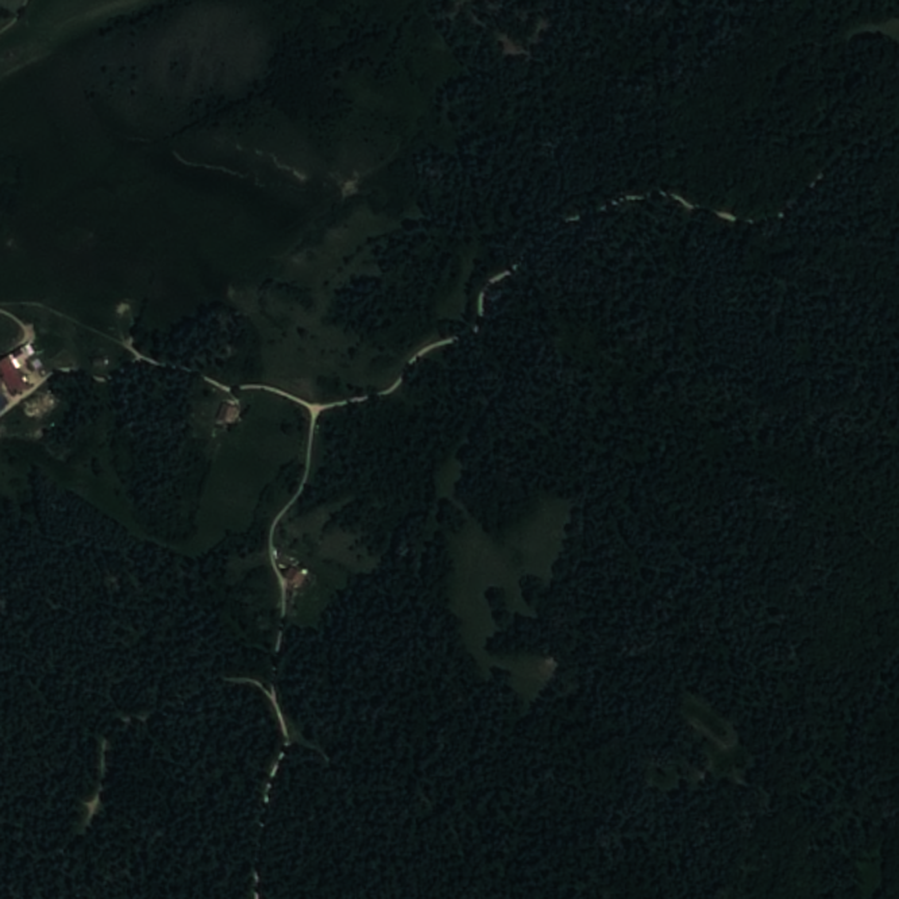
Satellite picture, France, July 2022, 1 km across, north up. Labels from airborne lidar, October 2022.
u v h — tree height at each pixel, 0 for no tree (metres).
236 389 14
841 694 30
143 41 0
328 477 21
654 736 19
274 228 0
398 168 7
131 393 23
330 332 0
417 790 19
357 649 28
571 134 24
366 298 21
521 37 18
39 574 14
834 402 23
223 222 0
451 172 14
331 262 0
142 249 0
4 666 22
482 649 0
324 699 23
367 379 0
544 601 20
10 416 0
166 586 7
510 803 24
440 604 8
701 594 25
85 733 17
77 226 0
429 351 0
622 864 12
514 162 23
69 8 0
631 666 16
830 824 29
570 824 16
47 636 17
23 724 21
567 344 0
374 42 5
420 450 11
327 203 0
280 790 16
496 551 0
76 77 0
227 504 0
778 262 24
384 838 19
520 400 27
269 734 24
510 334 13
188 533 10
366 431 6
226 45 0
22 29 0
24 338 0
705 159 18
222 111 8
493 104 17
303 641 15
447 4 17
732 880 23
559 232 24
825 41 24
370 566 0
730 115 22
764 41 20
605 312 30
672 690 10
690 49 23
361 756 17
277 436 0
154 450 15
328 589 0
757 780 19
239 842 11
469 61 21
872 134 21
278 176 0
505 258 23
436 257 6
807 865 24
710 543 19
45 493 22
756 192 13
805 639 17
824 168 14
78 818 21
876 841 16
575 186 24
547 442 18
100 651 21
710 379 27
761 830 13
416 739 17
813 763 13
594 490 18
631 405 27
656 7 23
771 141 25
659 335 21
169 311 0
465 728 18
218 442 0
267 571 5
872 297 25
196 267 0
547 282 27
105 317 0
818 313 26
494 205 7
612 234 21
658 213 26
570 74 10
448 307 0
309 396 0
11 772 18
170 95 0
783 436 23
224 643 24
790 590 22
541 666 0
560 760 11
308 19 6
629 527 27
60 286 0
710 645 21
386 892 19
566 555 9
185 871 16
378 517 10
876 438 19
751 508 19
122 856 11
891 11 12
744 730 21
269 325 0
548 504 0
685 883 22
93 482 0
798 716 19
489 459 23
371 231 0
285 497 0
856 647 21
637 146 18
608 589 20
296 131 0
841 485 13
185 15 0
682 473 17
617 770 11
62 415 0
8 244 0
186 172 0
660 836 21
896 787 17
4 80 0
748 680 17
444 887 21
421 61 0
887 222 17
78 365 0
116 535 27
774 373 19
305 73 20
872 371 9
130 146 0
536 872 13
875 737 17
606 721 20
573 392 18
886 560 22
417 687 17
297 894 10
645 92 26
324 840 16
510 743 17
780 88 14
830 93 20
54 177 0
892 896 14
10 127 0
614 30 9
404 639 17
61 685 19
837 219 21
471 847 10
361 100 0
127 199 0
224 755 24
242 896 23
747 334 19
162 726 13
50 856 35
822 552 17
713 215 22
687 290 28
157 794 13
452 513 19
